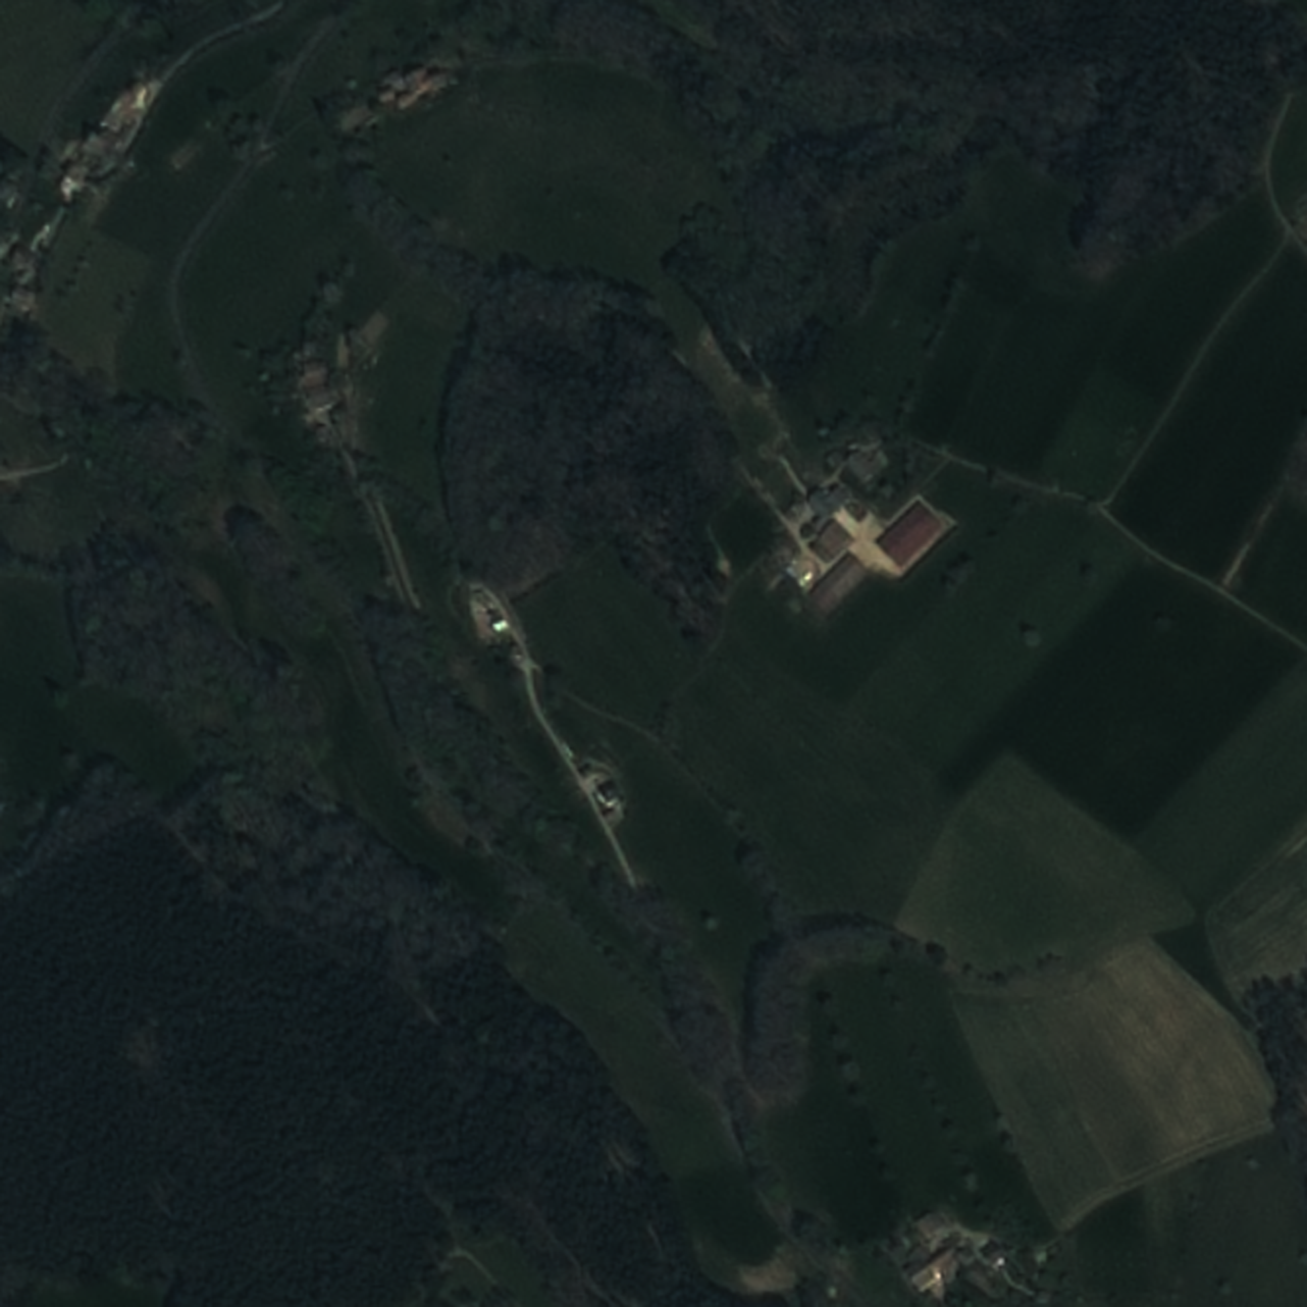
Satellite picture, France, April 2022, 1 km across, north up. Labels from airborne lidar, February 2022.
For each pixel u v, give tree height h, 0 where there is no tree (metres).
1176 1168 0
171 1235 28
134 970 27
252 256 0
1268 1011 20
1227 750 0
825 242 9
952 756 0
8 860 0
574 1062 23
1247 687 0
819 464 0
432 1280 27
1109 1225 0
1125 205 30
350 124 0
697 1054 32
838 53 24
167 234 0
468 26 18
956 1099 0
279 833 29
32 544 0
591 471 20
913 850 0
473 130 0
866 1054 0
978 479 0
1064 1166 0
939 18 23
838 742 0
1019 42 23
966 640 0
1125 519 0
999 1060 0
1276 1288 0
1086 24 23
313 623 23
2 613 0
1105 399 0
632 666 0
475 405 29
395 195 19
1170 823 0
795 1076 29
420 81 0
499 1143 28
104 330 0
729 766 0
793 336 19
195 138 0
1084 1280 0
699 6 31
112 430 22
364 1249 27
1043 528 0
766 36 26
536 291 26
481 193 0
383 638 28
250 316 0
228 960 26
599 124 0
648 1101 0
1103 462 0
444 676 23
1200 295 0
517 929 0
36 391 29
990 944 0
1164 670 0
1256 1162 7
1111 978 0
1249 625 0
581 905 0
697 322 0
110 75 0
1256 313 0
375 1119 28
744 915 0
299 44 0
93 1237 28
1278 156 0
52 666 0
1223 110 24
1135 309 0
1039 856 0
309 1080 25
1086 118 33
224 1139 19
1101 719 0
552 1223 24
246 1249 29
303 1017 27
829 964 23
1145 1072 0
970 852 0
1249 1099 0
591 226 0
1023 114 20
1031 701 0
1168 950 0
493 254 0
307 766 29
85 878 28
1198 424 0
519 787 23
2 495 0
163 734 0
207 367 0
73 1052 25
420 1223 27
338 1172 27
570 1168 27
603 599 0
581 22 32
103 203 0
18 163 23
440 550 13
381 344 0
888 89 31
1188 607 0
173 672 31
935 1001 0
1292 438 0
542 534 30
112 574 27
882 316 0
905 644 0
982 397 0
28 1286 22
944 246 0
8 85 0
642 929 30
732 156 21
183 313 0
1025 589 0
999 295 0
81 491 0
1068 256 0
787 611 0
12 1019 25
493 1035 28
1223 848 0
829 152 33
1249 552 0
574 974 0
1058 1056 0
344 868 34
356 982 23
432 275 16
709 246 14
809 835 0
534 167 0
